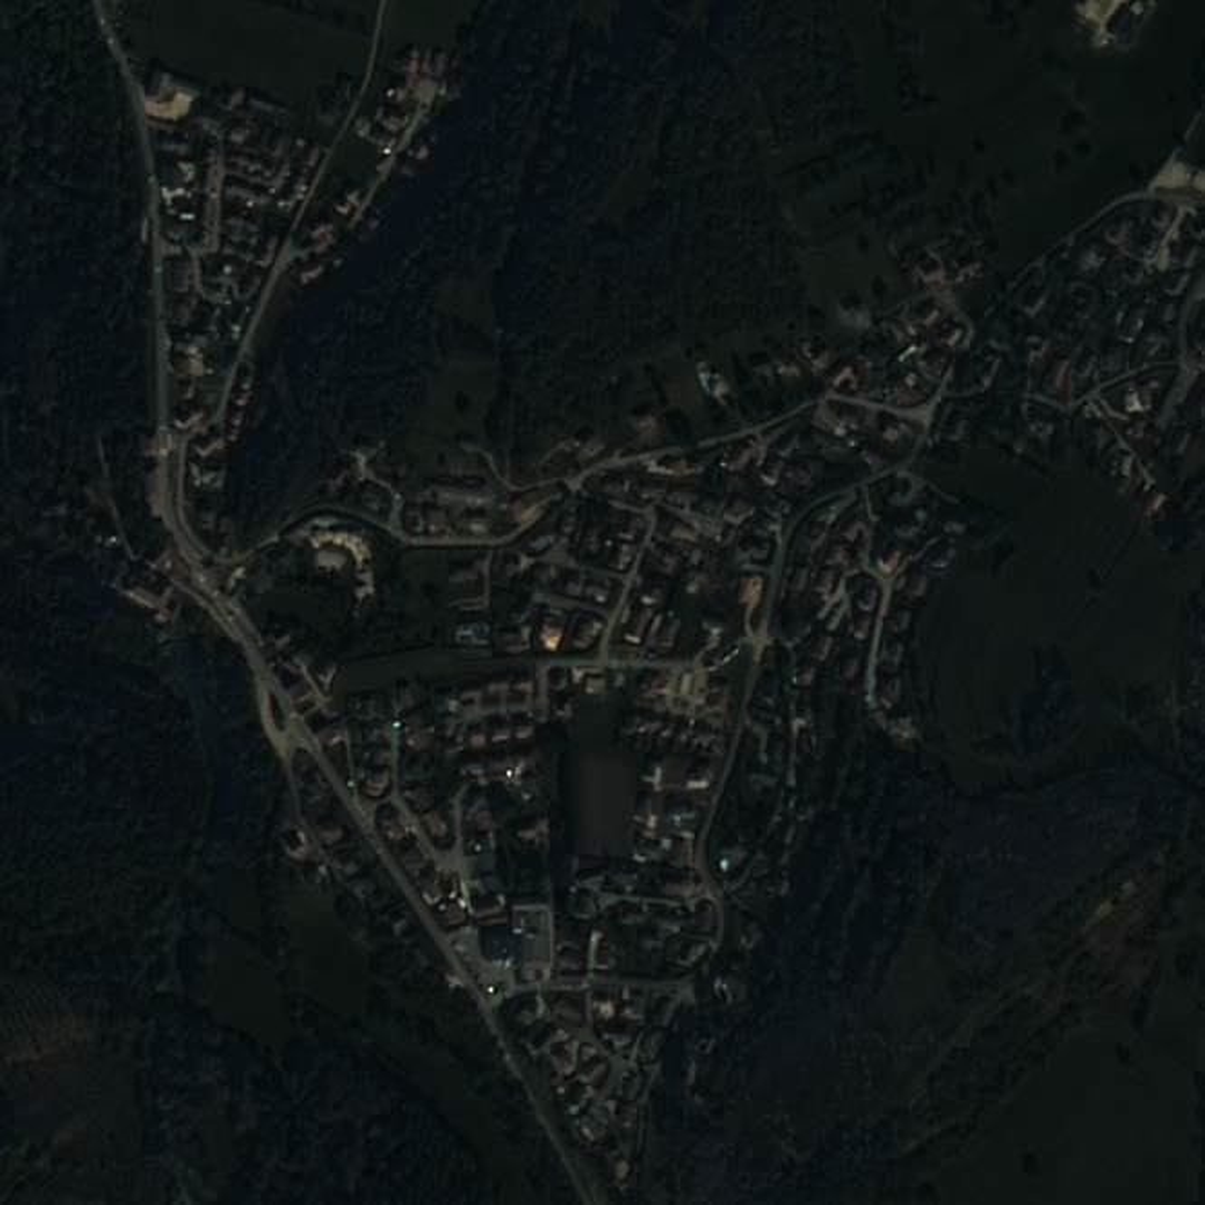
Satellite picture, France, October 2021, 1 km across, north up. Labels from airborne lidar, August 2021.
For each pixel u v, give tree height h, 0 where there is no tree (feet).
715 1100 26
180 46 0
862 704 0
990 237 52
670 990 0
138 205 39
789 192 0
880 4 52
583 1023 0
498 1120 65
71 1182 0
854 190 0
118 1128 0
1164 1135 0
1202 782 31
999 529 38
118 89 58
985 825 0
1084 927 26
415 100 0
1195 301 0
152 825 71
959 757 0
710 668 0
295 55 0
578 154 60
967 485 0
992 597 0
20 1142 103
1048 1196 0
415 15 0
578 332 37
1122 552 0
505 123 92
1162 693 0
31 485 42
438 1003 32
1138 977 0
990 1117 63
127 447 42
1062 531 0
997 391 41
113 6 21
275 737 0
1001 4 0
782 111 43
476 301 0
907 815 84
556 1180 88
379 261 52
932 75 0
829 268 0
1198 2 0
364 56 0
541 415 19
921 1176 52
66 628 31
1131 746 0
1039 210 0
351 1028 25
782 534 0
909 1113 27
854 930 0
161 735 25
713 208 45
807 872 31
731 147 48
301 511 0
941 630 0
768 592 0
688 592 0
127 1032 88
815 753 45
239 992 0
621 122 57
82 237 33
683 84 46
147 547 32
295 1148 98
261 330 0
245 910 0
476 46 20
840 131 34
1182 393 0
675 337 54
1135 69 0
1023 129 0
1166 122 0
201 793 43
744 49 48
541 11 61
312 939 0
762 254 33
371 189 0
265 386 40
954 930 26
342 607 42
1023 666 0
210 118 0
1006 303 42
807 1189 58
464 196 57
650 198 0
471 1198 80
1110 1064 0
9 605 52
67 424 78
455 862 0
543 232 62
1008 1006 39
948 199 0
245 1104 122
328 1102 72
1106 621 0
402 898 19
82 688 30
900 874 70
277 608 0
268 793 30
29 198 54
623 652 0
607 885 21
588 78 34
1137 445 0
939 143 0
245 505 37
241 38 0
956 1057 39
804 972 48
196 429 0
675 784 0
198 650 41
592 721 0
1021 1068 42
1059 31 0
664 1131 46
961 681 0
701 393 0
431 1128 84
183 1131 95
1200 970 36
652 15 0
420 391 52
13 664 24
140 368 53
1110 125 0
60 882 65
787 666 41
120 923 44
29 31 77
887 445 0
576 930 29
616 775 0
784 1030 30
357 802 0
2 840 77
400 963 38
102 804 45
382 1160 44
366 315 71
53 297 70
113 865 72
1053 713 57
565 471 0
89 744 27
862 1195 83
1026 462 22
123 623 36
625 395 49
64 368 98
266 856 49
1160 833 18
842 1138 29
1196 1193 0
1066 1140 0
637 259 61
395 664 0
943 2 0
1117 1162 0
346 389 42
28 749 41
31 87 21
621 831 0
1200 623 38
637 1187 31
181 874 41
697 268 33
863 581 21
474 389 0
